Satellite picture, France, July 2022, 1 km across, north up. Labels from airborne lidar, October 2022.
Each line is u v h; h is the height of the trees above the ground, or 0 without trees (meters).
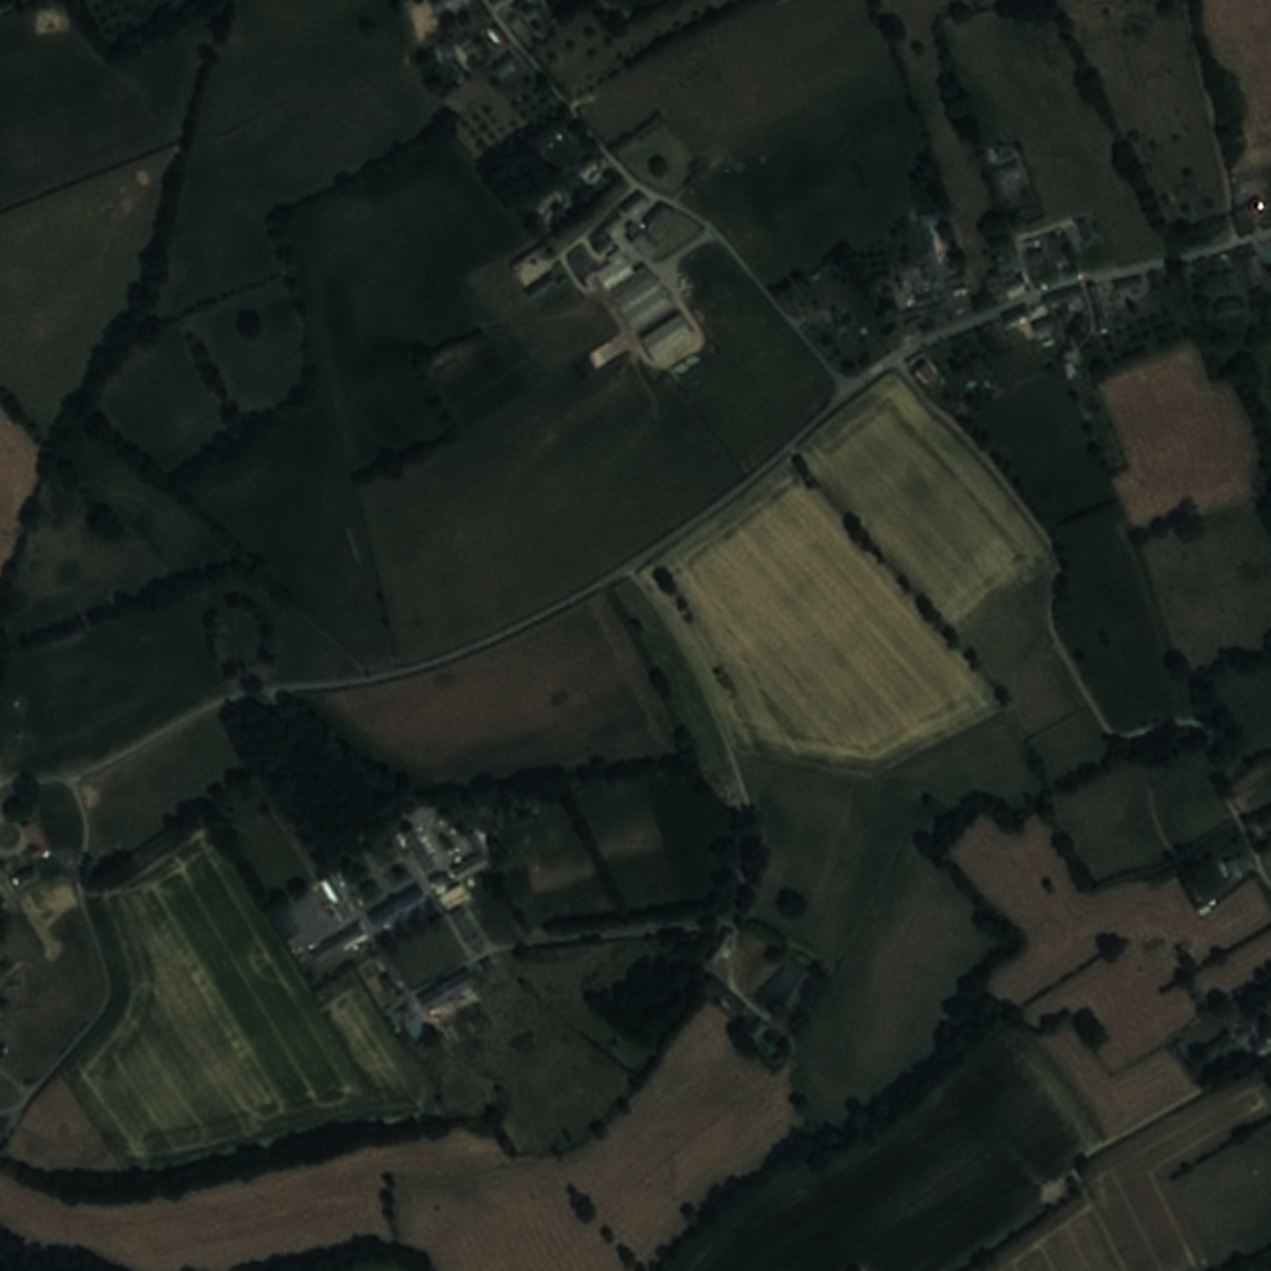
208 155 0
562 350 0
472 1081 0
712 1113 0
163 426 0
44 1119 0
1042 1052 0
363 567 0
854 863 0
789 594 0
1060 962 0
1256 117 0
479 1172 0
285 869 0
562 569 0
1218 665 8
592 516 0
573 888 0
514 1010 0
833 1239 0
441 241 0
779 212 0
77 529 0
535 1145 0
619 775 13
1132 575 0
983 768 0
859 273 17
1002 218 13
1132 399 0
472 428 0
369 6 0
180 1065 0
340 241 0
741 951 0
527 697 0
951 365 0
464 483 0
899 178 0
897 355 0
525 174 26
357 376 0
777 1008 20
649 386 0
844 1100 0
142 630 0
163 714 0
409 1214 0
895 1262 0
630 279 0
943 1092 0
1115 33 0
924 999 0
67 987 0
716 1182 0
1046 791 7
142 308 17
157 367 0
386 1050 0
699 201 0
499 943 0
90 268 0
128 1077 0
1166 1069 0
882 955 0
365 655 0
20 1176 16
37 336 0
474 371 0
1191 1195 0
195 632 0
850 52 0
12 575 11
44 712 0
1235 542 0
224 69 0
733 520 0
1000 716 0
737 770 0
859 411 0
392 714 0
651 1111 0
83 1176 14
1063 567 21
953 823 16
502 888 23
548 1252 0
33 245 0
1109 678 0
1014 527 0
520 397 0
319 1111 0
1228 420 0
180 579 15
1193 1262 0
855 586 0
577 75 0
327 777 17
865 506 0
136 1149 0
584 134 9
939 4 0
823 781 0
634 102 0
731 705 0
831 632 0
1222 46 0
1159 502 0
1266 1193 0
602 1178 0
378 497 0
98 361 18
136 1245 0
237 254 0
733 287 0
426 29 0
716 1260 0
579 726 0
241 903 0
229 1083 0
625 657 0
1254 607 0
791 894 12
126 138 0
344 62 0
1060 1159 0
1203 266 6
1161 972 0
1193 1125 0
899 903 0
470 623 0
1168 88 0
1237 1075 9
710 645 0
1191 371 0
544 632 0
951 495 0
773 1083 0
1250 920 0
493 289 0
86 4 18
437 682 0
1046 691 0
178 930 0
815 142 0
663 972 20
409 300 0
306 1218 0
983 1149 0
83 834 0
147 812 0
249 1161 14
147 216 0
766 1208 0
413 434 0
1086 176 0
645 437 0
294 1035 0
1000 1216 0
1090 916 0
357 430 0
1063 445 0
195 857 0
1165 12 14
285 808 22
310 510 0
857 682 0
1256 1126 7
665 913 14
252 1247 0
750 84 0
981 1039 16
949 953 0
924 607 18
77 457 0
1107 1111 0
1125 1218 0
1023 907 0
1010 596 0
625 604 0
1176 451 0
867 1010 0
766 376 0
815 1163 17
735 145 0
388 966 0
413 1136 17
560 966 0
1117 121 15
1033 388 0
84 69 0
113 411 0
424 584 0
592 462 0
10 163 0
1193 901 16
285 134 0
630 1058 0
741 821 20
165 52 0
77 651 0
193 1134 0
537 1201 0
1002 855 0
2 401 12
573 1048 0
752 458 0
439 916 14
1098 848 0
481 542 0
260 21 0
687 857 0
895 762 0
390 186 0
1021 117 0
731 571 0
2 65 0
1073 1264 0
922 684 0
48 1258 16
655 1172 0
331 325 0
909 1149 0
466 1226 0
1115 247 0
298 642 0
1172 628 0
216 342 0
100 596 0
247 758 16
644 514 0
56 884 0
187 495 9
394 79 0
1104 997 0
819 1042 0
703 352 0
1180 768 0
